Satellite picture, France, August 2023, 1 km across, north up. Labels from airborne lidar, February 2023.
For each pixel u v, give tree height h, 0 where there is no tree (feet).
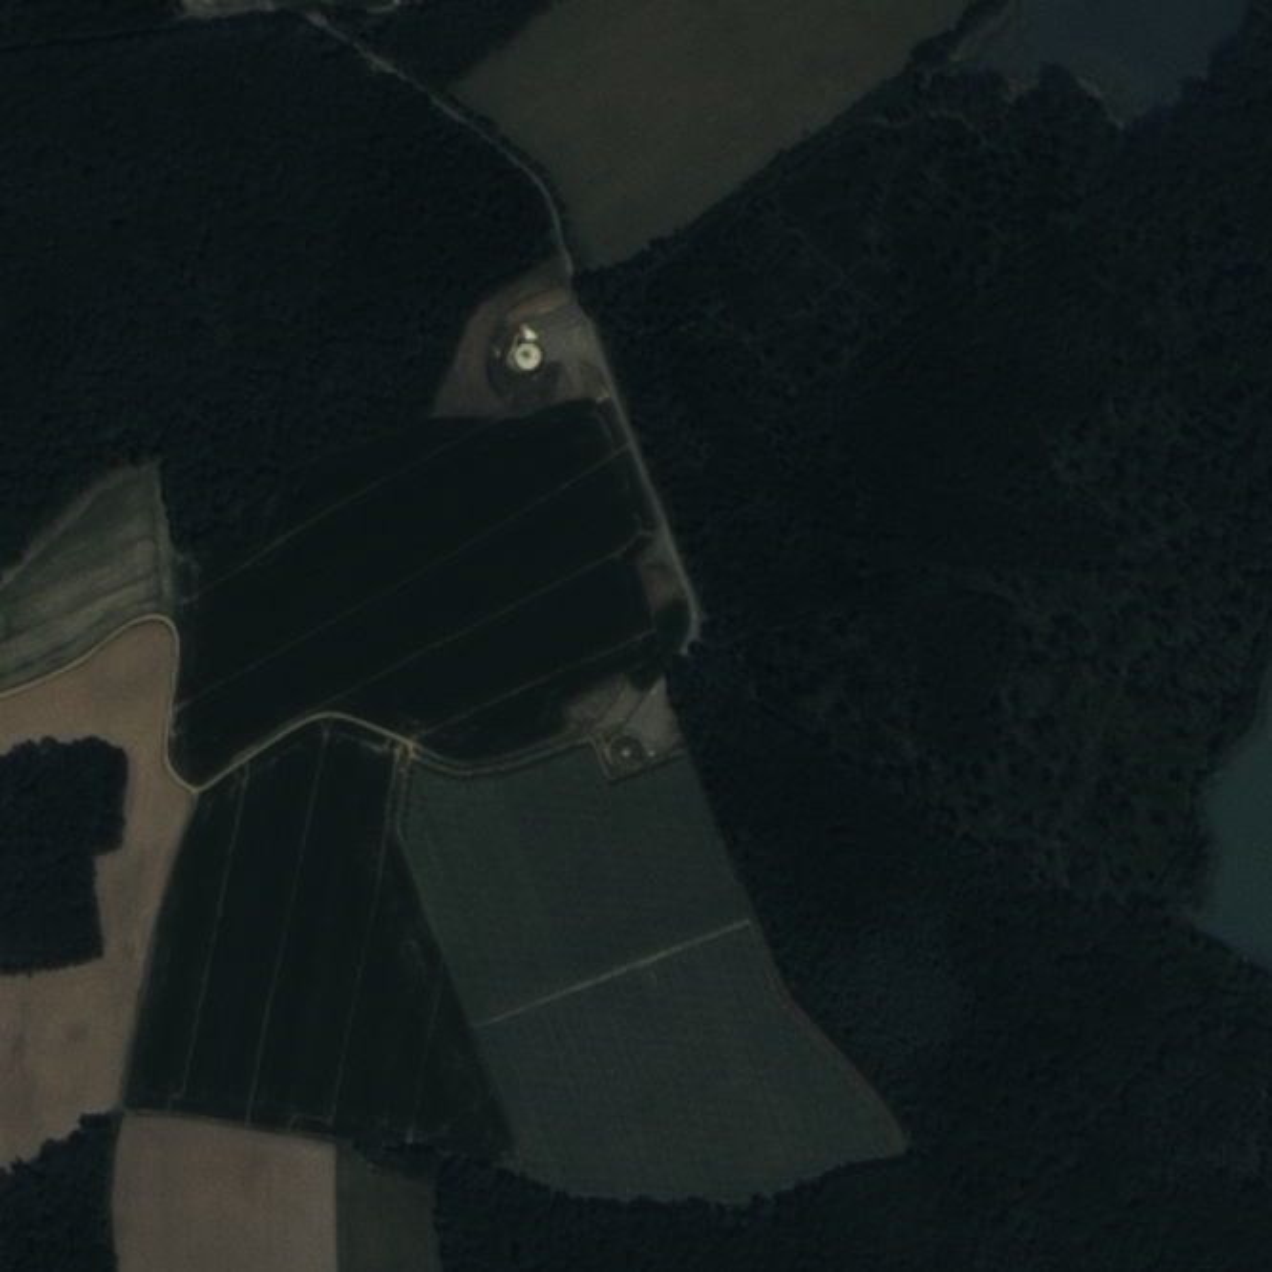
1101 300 20
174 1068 0
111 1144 52
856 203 52
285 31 61
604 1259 63
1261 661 19
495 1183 42
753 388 58
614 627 0
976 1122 78
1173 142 76
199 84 62
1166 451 70
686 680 59
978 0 24
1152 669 63
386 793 0
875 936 62
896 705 0
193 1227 0
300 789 0
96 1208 56
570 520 0
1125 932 81
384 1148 25
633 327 61
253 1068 0
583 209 0
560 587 0
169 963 0
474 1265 57
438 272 19
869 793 68
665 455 47
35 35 38
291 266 61
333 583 0
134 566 0
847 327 64
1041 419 31
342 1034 0
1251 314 78
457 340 36
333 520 0
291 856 0
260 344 58
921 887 42
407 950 0
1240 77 59
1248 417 71
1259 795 0
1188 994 81
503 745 0
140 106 63
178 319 74
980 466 32
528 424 0
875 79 0
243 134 55
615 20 0
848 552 53
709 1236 65
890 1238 55
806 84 0
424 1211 0
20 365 49
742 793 62
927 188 57
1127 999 87
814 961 43
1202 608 72
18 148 59
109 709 0
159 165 63
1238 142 63
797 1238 68
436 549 0
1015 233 74
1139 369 37
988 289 24
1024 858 78
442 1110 0
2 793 52
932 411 36
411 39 39
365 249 24
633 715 0
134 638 0
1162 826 70
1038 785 66
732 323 60
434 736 0
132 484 0
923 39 0
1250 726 36
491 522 0
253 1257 0
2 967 39
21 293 64
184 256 49
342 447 38
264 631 0
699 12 0
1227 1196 66
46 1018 0
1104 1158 71
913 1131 43
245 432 63
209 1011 0
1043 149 19
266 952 0
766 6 0
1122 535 64
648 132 0
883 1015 64
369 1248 0
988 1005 64
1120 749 0
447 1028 0
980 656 28
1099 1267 47
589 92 0
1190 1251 53
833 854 56
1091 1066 74
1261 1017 37
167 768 0
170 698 0
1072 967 82
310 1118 0
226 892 0
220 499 73
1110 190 82
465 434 0
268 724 0
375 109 36
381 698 0
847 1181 55
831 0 0
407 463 0
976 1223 61
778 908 57
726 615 39
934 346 28
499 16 43
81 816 54
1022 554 22
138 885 0
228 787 0
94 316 56
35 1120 0
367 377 73
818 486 20
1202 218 60
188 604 0
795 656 66
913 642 43
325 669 0
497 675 0
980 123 57
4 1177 43
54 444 52
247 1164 0
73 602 0
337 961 0
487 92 0
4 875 53
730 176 0
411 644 0
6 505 69
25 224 55
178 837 0
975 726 34
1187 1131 54
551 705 0
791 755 64
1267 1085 51
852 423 35
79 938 50
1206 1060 62
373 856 0
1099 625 0
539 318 0
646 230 0
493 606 0
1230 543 75
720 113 0
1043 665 72
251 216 58
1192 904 42
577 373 0
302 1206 0
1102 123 58
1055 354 31
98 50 53
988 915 55
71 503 32
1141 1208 56
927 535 34
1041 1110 69
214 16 0
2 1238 63
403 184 26
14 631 0
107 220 64
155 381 70
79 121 64
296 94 61
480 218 19
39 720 0
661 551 0
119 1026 0
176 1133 0
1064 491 61
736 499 21
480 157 24
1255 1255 56
